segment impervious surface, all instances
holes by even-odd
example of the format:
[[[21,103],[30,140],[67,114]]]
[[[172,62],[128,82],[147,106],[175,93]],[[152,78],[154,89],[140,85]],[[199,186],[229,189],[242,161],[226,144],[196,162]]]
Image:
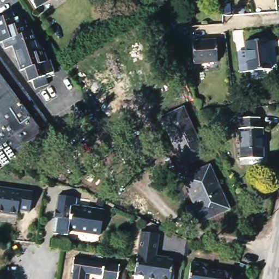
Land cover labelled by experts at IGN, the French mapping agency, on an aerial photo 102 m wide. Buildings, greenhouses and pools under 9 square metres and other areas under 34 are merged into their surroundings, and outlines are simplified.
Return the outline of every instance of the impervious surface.
[[[279,0],[254,0],[255,13],[259,15],[279,11]]]
[[[15,50],[13,47],[14,36],[0,40],[0,80],[4,78],[13,89],[21,104],[27,109],[29,117],[38,124],[39,130],[45,132],[49,126],[54,130],[58,129],[62,120],[60,116],[71,113],[71,107],[82,100],[82,93],[77,92],[68,81],[69,73],[60,68],[54,72],[53,77],[47,78],[47,85],[36,86],[34,82],[29,85],[27,82],[31,77],[27,69],[33,68],[34,64],[25,65],[23,51]]]
[[[102,239],[100,234],[98,234],[68,231],[64,235],[57,234],[56,208],[61,193],[65,190],[70,190],[69,186],[64,185],[53,186],[48,190],[50,202],[46,210],[51,211],[52,219],[45,228],[44,243],[33,242],[24,251],[22,255],[16,255],[12,259],[7,259],[7,256],[0,253],[0,266],[7,267],[7,270],[15,270],[22,266],[26,279],[56,279],[54,274],[57,271],[60,250],[54,248],[51,251],[49,244],[52,236],[56,239],[68,238],[76,246],[99,245],[97,241]]]
[[[192,253],[190,244],[186,243],[185,239],[178,239],[175,236],[163,236],[163,250],[178,252],[187,257]]]
[[[244,262],[238,264],[245,267],[248,279],[279,279],[279,198],[275,214],[269,220],[256,239],[246,245],[251,253],[247,253],[246,257],[242,258]]]

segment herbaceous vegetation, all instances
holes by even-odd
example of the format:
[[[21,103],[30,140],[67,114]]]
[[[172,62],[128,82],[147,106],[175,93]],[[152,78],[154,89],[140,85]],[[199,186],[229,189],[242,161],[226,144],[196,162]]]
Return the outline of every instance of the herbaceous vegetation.
[[[199,11],[196,17],[201,25],[219,24],[217,20],[222,20],[221,14],[238,14],[246,7],[246,0],[217,0],[220,13],[203,14]]]
[[[106,172],[99,155],[85,153],[85,168],[77,174],[64,173],[63,180],[64,185],[69,186],[70,190],[78,191],[78,189],[82,189],[86,191],[88,194],[96,197],[97,201],[104,201],[111,207],[111,219],[107,228],[101,226],[98,234],[100,234],[122,232],[135,243],[138,229],[147,226],[147,222],[142,220],[144,214],[139,209],[133,205],[121,205],[114,198],[107,197],[104,193],[102,174]]]
[[[82,100],[94,94],[92,89],[84,86],[83,77],[78,76],[78,73],[84,73],[88,80],[94,80],[95,74],[107,70],[106,56],[107,53],[112,53],[114,62],[125,64],[126,72],[133,72],[134,75],[130,78],[131,87],[133,90],[142,89],[142,98],[151,105],[146,117],[150,124],[161,129],[161,122],[157,119],[161,108],[166,109],[191,101],[201,125],[208,125],[202,110],[220,109],[219,116],[210,122],[226,130],[226,138],[229,139],[226,149],[229,155],[226,158],[230,165],[234,165],[236,172],[233,178],[239,182],[241,189],[247,185],[243,179],[245,171],[251,165],[239,165],[235,162],[242,157],[242,134],[239,128],[243,125],[243,117],[259,116],[259,119],[251,119],[251,125],[264,126],[265,132],[271,134],[270,150],[279,149],[279,107],[274,111],[265,106],[256,108],[255,112],[238,112],[230,109],[230,104],[223,105],[226,96],[229,95],[229,87],[244,88],[241,84],[243,73],[239,72],[236,51],[244,47],[246,38],[276,40],[277,43],[279,40],[279,24],[244,27],[243,32],[235,31],[231,34],[227,31],[221,34],[225,37],[225,54],[220,61],[206,62],[202,65],[204,69],[199,73],[199,85],[194,89],[186,85],[180,97],[172,96],[165,82],[160,81],[159,73],[151,72],[148,59],[141,54],[143,46],[137,44],[137,35],[130,31],[114,38],[93,54],[88,54],[83,60],[78,61],[76,69],[69,73],[68,81],[77,92],[82,93]]]
[[[251,214],[247,217],[247,226],[252,232],[242,234],[238,228],[238,216],[230,211],[221,219],[223,234],[219,234],[219,238],[226,239],[231,250],[235,244],[246,245],[256,239],[269,220],[260,214]]]
[[[73,32],[81,23],[92,22],[100,16],[100,12],[95,12],[94,5],[88,0],[47,0],[45,7],[37,8],[37,17],[41,28],[57,41],[60,48],[69,45],[69,41],[74,37]]]
[[[162,24],[160,35],[166,41],[167,49],[172,50],[173,61],[178,66],[193,58],[192,34],[183,35],[183,23],[175,19],[167,20],[167,23]]]
[[[182,191],[178,195],[179,201],[173,201],[167,196],[166,187],[157,192],[162,202],[177,215],[182,217],[184,213],[192,214],[201,223],[203,230],[208,226],[208,220],[204,204],[193,203]]]

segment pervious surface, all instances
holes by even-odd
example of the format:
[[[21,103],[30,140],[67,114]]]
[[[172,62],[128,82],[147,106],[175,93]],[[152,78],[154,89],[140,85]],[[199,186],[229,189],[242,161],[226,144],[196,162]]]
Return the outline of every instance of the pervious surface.
[[[40,195],[31,211],[23,211],[24,217],[20,221],[19,229],[20,234],[14,242],[21,243],[24,251],[33,242],[27,238],[28,227],[39,214],[41,199],[44,198]]]
[[[75,198],[81,197],[82,202],[95,203],[97,201],[96,197],[88,194],[86,191],[82,189],[78,189],[78,191],[70,190],[65,190],[61,193],[65,196],[74,196]]]
[[[78,254],[77,250],[66,253],[62,279],[72,279],[74,259]]]
[[[160,222],[169,216],[175,218],[177,215],[162,202],[157,192],[150,187],[149,172],[145,172],[142,180],[124,187],[124,191],[114,198],[121,205],[133,205],[139,209],[144,214],[142,220],[147,222],[147,226],[154,226]]]
[[[134,110],[138,117],[146,117],[151,105],[142,98],[142,89],[133,90],[131,87],[130,78],[134,75],[133,72],[126,72],[125,64],[114,62],[112,53],[107,53],[106,56],[107,70],[95,74],[94,80],[88,80],[84,73],[78,73],[78,76],[83,77],[84,86],[92,89],[94,94],[107,116],[111,116],[120,108],[126,108]]]
[[[198,25],[198,29],[203,29],[207,34],[221,34],[227,31],[231,34],[235,31],[243,32],[244,27],[279,24],[279,11],[259,15],[255,13],[254,0],[246,0],[246,7],[238,14],[221,14],[222,20],[217,20],[219,24],[201,25]]]

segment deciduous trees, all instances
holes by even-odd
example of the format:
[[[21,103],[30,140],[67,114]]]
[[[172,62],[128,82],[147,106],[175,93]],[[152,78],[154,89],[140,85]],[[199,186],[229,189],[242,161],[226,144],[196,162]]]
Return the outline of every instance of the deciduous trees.
[[[175,236],[178,239],[185,239],[186,243],[190,244],[193,238],[199,238],[203,234],[203,230],[201,223],[192,214],[184,213],[182,217],[177,215],[175,218],[169,216],[160,222],[159,230],[163,232],[163,236]]]
[[[229,87],[229,95],[226,96],[223,105],[230,104],[230,109],[238,112],[255,112],[256,108],[265,106],[274,111],[279,107],[279,63],[277,69],[269,73],[243,73],[241,84],[244,88]]]
[[[279,181],[275,172],[260,166],[259,162],[251,165],[245,171],[243,179],[247,185],[241,189],[243,196],[235,201],[236,204],[247,217],[251,214],[260,214],[271,207],[271,201],[260,198],[257,193],[279,192]]]
[[[133,251],[135,243],[122,232],[100,234],[102,239],[97,241],[99,245],[101,252],[98,257],[124,259]]]
[[[151,72],[159,73],[160,81],[165,82],[172,96],[180,97],[186,85],[194,89],[199,85],[199,73],[204,69],[202,65],[194,63],[193,58],[178,66],[173,61],[172,50],[167,49],[166,41],[160,35],[162,24],[167,23],[167,20],[175,19],[183,23],[190,22],[196,17],[199,11],[203,14],[220,13],[217,0],[88,0],[94,5],[95,12],[100,12],[100,16],[92,22],[81,23],[73,32],[74,37],[69,41],[69,45],[60,48],[56,53],[60,68],[69,73],[76,69],[78,61],[83,60],[88,54],[93,54],[114,38],[130,31],[137,35],[137,44],[143,46],[141,54],[148,59]]]
[[[126,108],[120,108],[111,116],[107,116],[94,94],[82,100],[71,107],[71,113],[60,116],[62,120],[58,129],[54,130],[49,126],[45,132],[39,130],[34,141],[29,142],[28,148],[17,151],[15,158],[9,163],[17,170],[23,170],[25,167],[36,169],[39,177],[49,172],[50,177],[63,180],[64,173],[77,174],[85,168],[85,153],[99,155],[106,172],[102,174],[104,193],[107,197],[114,198],[124,191],[124,187],[142,180],[145,172],[149,172],[150,187],[157,192],[166,187],[167,196],[173,201],[179,201],[178,195],[182,191],[184,185],[194,181],[195,173],[202,166],[206,166],[204,161],[199,159],[198,154],[192,153],[184,146],[181,155],[167,158],[159,135],[146,131],[150,124],[146,117],[138,117],[134,110]]]

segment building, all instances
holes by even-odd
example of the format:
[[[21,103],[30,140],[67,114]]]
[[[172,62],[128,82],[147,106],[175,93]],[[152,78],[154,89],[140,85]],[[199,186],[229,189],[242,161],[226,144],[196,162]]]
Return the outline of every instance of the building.
[[[277,69],[279,63],[279,40],[277,43],[276,40],[246,38],[244,47],[236,51],[239,72],[243,73],[269,73]]]
[[[9,222],[13,228],[19,229],[20,221],[24,217],[23,211],[31,211],[40,195],[43,189],[37,185],[0,180],[0,221]]]
[[[259,116],[243,117],[243,125],[239,128],[242,134],[242,157],[235,162],[239,165],[251,165],[259,162],[260,166],[275,172],[279,181],[279,149],[270,150],[271,134],[265,132],[264,126],[251,125],[251,119],[259,119]]]
[[[161,108],[157,119],[161,122],[161,129],[150,124],[146,131],[159,135],[167,158],[181,155],[184,146],[192,153],[198,154],[198,143],[203,141],[201,136],[197,136],[201,125],[191,101],[166,109]]]
[[[98,257],[78,254],[74,259],[72,279],[119,279],[120,271],[128,266],[124,259]]]
[[[227,178],[216,165],[216,161],[204,161],[206,166],[202,166],[195,173],[194,181],[184,185],[182,191],[193,203],[204,204],[208,220],[221,219],[230,211],[236,204],[235,201],[229,190]]]
[[[60,68],[56,53],[60,48],[57,41],[41,28],[37,17],[37,8],[45,7],[47,0],[0,0],[0,40],[14,36],[13,47],[15,50],[23,51],[25,65],[34,64],[33,68],[27,69],[31,77],[27,82],[29,85],[34,82],[36,86],[47,85],[47,78],[53,77],[54,72]]]
[[[64,235],[68,231],[98,234],[101,226],[107,228],[111,219],[111,207],[104,201],[97,201],[95,203],[82,202],[81,197],[75,198],[74,196],[65,196],[61,193],[56,208],[57,234]]]
[[[29,117],[27,109],[21,104],[13,89],[4,78],[0,80],[0,165],[5,166],[9,163],[15,158],[17,151],[28,148],[29,142],[34,141],[39,130],[38,124]]]
[[[178,252],[163,250],[163,236],[163,232],[159,230],[160,222],[154,226],[147,226],[138,229],[135,243],[133,251],[133,254],[147,259],[148,264],[135,264],[133,279],[248,279],[245,267],[238,264],[223,264],[217,259],[187,257]]]
[[[225,54],[225,37],[221,34],[207,34],[203,29],[198,29],[198,25],[201,25],[196,17],[190,22],[183,23],[183,35],[192,34],[193,58],[194,63],[202,65],[206,62],[220,61]]]

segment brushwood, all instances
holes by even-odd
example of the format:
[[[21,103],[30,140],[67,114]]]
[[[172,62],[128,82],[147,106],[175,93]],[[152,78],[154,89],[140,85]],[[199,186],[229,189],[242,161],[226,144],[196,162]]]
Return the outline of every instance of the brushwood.
[[[0,279],[26,279],[22,266],[15,270],[7,270],[7,267],[0,266]]]
[[[77,250],[78,254],[98,257],[101,252],[99,245],[76,246],[68,238],[56,239],[52,236],[49,244],[51,251],[54,248],[60,250],[57,271],[54,274],[56,279],[62,279],[66,253]]]
[[[226,138],[226,130],[210,122],[219,116],[220,109],[202,110],[208,125],[201,125],[197,136],[201,136],[203,141],[198,143],[198,154],[199,159],[204,161],[216,161],[216,165],[227,178],[229,190],[235,201],[243,196],[241,189],[239,182],[233,178],[236,172],[234,165],[230,165],[226,158],[229,155],[226,149],[229,139]]]
[[[44,243],[45,228],[52,219],[51,211],[46,210],[50,202],[48,190],[53,186],[64,185],[63,180],[50,177],[49,172],[39,177],[36,169],[25,167],[23,170],[17,170],[9,163],[5,166],[0,165],[0,180],[37,185],[43,189],[40,195],[44,198],[41,199],[39,214],[28,227],[27,238],[33,242]]]
[[[192,253],[187,257],[217,259],[223,264],[238,264],[244,262],[242,258],[246,257],[247,253],[251,253],[246,245],[235,244],[231,250],[226,239],[219,238],[219,234],[223,234],[221,219],[208,220],[208,226],[203,230],[203,234],[199,238],[193,238],[190,244]]]
[[[275,214],[279,198],[279,192],[257,193],[260,198],[271,201],[271,207],[260,214],[269,220]]]
[[[133,254],[133,251],[124,259],[128,266],[120,271],[119,279],[133,279],[135,264],[148,264],[147,259]]]
[[[13,228],[9,222],[0,221],[0,253],[7,256],[7,259],[12,259],[16,255],[22,255],[24,251],[21,243],[14,242],[20,234],[19,229]]]
[[[242,234],[252,232],[247,226],[247,217],[236,204],[230,211],[238,216],[238,228]]]

